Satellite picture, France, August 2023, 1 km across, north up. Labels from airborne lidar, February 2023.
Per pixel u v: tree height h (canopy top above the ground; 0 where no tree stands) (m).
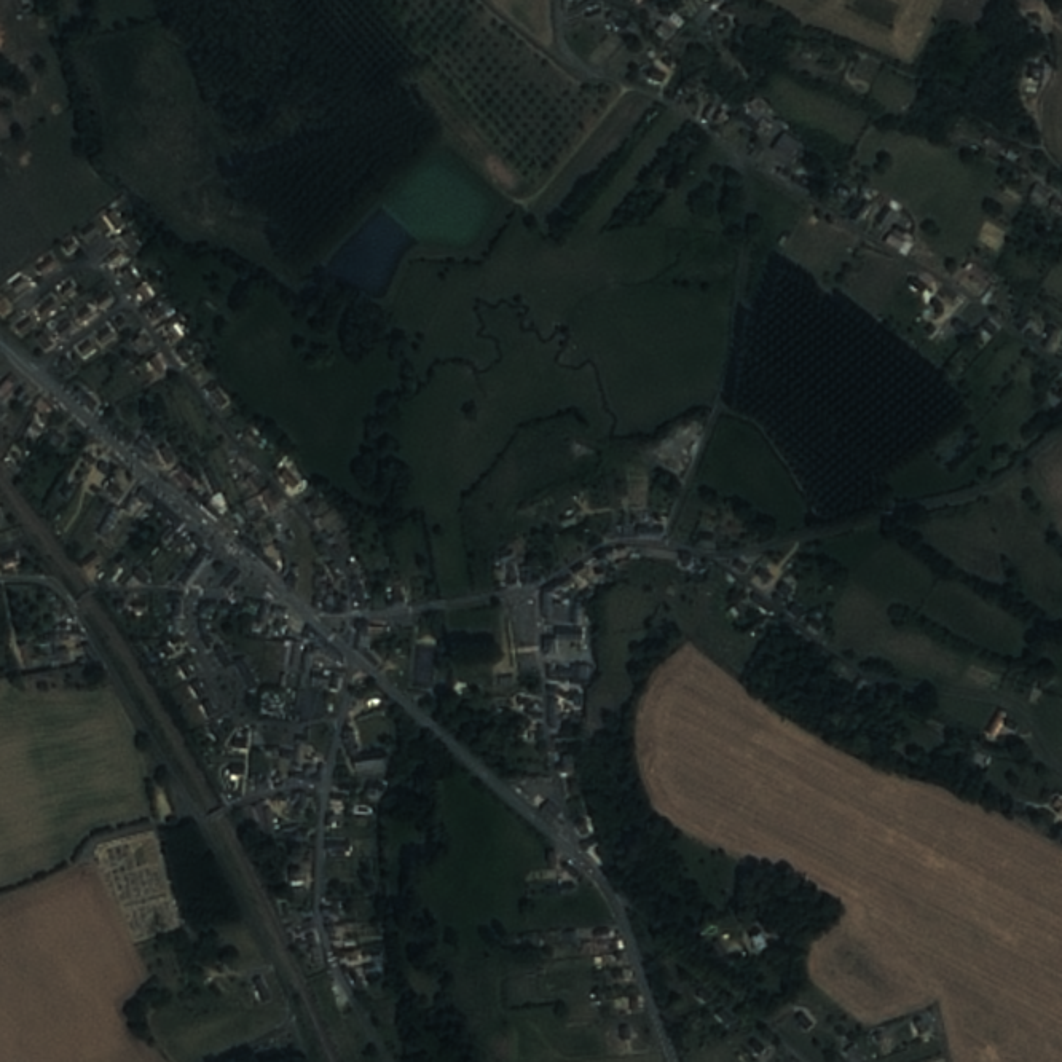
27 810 0
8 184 0
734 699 0
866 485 22
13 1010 0
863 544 0
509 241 0
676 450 0
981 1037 0
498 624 0
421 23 10
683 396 0
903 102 0
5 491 0
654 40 8
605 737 11
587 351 0
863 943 0
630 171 0
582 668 0
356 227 0
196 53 22
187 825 11
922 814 0
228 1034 0
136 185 0
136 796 0
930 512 7
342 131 32
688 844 0
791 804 0
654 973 17
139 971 0
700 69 10
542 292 0
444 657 13
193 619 0
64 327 0
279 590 0
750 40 8
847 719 20
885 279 0
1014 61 16
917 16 0
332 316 18
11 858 0
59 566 0
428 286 0
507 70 7
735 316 0
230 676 0
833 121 0
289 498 0
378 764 0
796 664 7
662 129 0
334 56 28
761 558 0
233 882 0
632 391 0
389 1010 0
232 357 0
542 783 0
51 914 0
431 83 0
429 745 17
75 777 0
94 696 0
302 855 20
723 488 0
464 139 0
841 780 0
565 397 0
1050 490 0
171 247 20
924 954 0
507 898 0
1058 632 19
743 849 0
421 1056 8
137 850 0
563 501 0
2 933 0
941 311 0
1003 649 0
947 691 0
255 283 20
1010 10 15
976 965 0
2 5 0
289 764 0
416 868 30
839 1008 0
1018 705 0
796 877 17
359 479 17
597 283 0
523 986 0
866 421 25
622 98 0
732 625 10
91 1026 0
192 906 7
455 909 0
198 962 7
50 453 6
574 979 0
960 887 0
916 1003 0
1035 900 0
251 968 0
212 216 0
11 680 11
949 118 13
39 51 0
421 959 23
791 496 0
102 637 0
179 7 29
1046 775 7
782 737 0
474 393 0
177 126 0
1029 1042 0
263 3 31
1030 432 10
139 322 0
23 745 0
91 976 0
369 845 0
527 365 0
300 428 0
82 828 0
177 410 0
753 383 27
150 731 0
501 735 9
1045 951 0
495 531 0
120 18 0
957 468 11
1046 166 13
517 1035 0
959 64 7
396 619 0
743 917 24
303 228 32
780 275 26
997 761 0
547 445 0
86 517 0
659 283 0
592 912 0
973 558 0
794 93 0
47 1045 0
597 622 8
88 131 12
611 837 9
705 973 13
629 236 0
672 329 0
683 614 0
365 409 0
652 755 0
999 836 0
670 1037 14
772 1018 16
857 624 0
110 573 0
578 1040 0
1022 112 10
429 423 0
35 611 16
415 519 6
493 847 0
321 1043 0
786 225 0
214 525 0
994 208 6
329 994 0
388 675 0
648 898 14
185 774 0
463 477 0
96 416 0
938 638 9
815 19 0
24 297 0
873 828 0
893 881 0
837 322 28
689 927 7
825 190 16
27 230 0
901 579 0
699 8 0
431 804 20
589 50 0
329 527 0
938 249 0
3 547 0
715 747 0
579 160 0
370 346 13
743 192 16
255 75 31
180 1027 0
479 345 0
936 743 0
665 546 0
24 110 0
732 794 0
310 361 17
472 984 0
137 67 0
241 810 9
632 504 0
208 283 8
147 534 16
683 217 0
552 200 0
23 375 0
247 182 32
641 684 14
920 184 0
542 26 0
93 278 0
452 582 0
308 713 0
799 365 26
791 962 16
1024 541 0
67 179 0
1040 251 10
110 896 0
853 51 10
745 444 0
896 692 14
